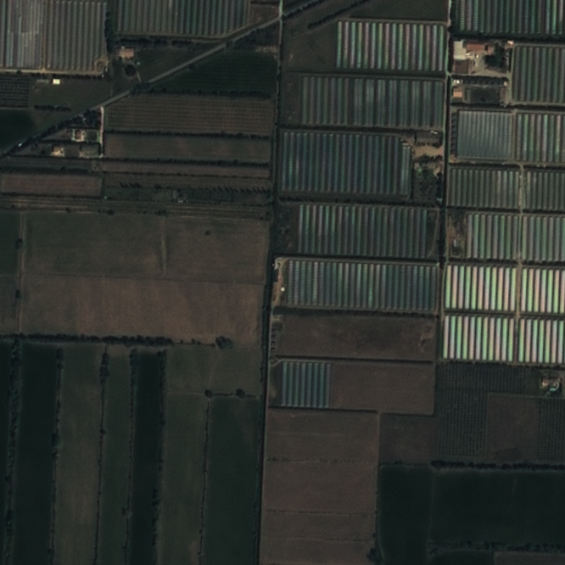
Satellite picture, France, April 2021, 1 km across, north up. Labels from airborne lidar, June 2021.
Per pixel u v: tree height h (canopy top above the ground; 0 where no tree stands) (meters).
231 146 0
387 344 0
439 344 0
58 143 8
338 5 0
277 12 0
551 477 0
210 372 0
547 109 8
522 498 0
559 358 0
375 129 6
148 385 0
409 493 0
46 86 0
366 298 0
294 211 0
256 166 10
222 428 0
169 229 0
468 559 0
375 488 0
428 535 0
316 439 0
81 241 0
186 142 0
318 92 0
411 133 7
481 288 0
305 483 0
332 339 0
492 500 0
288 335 0
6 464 0
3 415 0
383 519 0
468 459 0
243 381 0
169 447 0
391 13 0
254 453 0
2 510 0
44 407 0
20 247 16
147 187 0
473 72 0
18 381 14
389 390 0
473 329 0
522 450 0
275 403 0
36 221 0
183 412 0
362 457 0
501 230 0
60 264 0
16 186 0
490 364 7
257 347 0
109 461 0
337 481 0
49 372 0
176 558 0
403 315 7
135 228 0
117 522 0
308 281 0
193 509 0
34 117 0
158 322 0
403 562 0
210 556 0
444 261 13
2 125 0
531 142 0
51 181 0
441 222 9
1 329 0
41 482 0
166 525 0
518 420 0
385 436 0
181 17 0
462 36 7
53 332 0
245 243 0
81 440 0
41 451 0
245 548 0
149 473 0
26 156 6
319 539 0
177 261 0
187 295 0
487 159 0
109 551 0
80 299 0
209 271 0
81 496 0
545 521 0
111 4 0
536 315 0
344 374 0
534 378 0
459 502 0
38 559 0
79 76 7
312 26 7
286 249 0
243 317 0
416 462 0
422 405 0
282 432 0
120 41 12
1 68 0
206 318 0
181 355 0
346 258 7
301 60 0
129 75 12
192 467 0
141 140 0
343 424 0
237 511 0
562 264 8
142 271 0
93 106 0
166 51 0
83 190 0
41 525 0
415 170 5
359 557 0
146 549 0
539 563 0
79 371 0
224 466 0
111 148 0
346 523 0
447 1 0
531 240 0
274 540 0
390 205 7
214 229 0
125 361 0
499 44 7
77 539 0
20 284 0
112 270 0
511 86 0
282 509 0
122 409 0
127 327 0
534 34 0
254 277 0
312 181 0
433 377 0
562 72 0
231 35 0
